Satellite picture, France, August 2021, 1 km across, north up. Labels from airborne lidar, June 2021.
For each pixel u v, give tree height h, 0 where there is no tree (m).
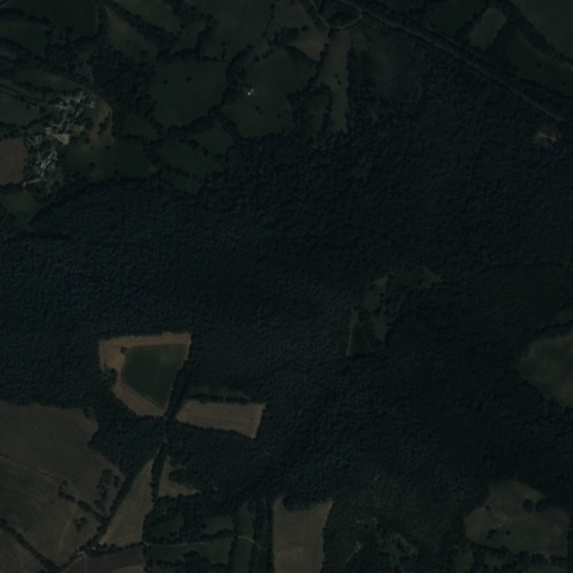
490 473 22
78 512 0
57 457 0
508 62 14
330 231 15
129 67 12
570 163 24
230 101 15
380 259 24
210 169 0
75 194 7
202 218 19
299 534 0
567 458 21
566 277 23
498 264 16
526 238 18
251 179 15
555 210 19
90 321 16
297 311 12
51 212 19
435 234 18
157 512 11
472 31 13
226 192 13
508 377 28
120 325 13
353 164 25
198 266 14
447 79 27
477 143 18
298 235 21
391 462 10
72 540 0
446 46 12
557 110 19
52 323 11
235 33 0
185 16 17
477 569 23
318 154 20
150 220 16
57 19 0
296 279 16
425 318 28
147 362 0
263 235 24
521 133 16
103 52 16
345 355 10
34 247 18
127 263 15
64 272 13
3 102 0
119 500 11
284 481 18
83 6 0
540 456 26
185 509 14
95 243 14
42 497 0
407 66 0
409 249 20
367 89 14
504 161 19
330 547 8
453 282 17
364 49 0
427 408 24
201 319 11
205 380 17
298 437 18
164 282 14
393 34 14
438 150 18
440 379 27
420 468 11
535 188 16
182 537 12
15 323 13
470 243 25
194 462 11
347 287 12
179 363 0
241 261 17
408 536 13
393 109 23
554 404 19
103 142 0
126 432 18
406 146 13
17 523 0
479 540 0
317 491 14
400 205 25
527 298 23
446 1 18
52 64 15
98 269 14
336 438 13
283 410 12
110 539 0
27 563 0
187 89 0
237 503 12
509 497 0
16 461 0
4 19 16
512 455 23
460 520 14
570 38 0
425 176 18
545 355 0
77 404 8
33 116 0
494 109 27
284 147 32
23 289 11
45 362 18
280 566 0
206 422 0
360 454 14
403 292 9
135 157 0
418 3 23
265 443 9
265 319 14
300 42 0
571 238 17
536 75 0
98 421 7
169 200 17
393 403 13
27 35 0
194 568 14
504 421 24
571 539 17
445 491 16
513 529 0
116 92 20
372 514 11
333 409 16
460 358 20
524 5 0
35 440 0
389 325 10
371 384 17
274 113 0
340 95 0
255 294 11
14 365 18
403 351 15
